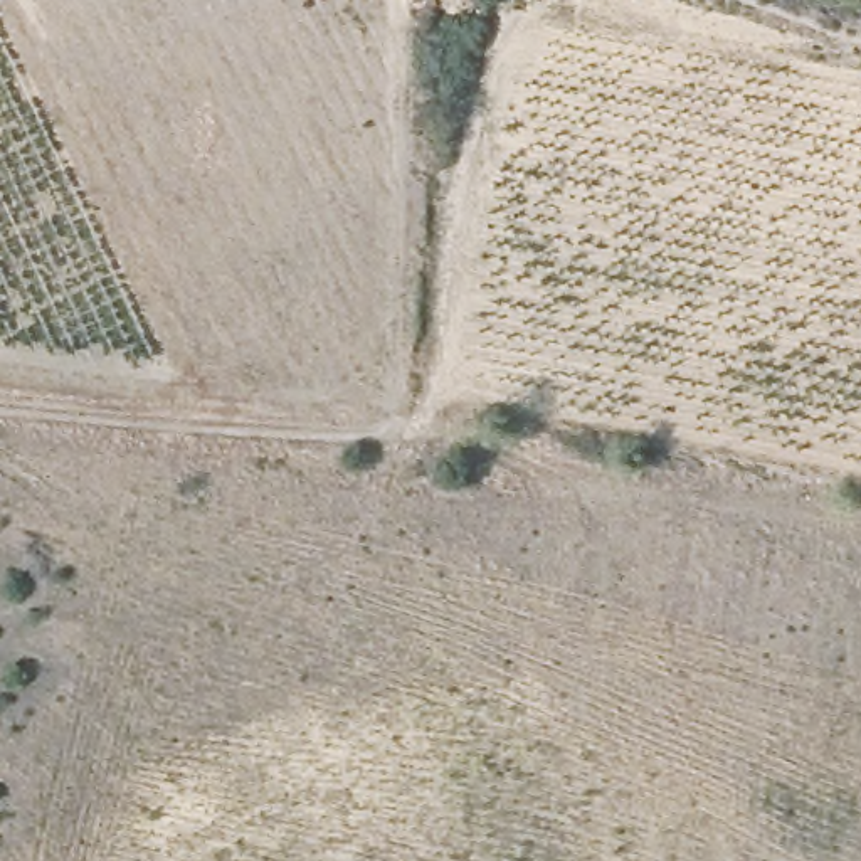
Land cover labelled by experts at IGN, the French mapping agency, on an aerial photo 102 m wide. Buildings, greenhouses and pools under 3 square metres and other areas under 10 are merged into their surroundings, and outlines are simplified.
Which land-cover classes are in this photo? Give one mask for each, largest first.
<instances>
[{"label":"plowed land","instance_id":"1","mask_svg":"<svg viewBox=\"0 0 861 861\"><path fill-rule=\"evenodd\" d=\"M0 20L7 24L10 44L24 57V74L17 77V87L24 98H40L47 104L54 131L61 138V151L54 155V161L57 168H74L87 198L98 202V219L108 232L111 249L118 252V266L135 286L141 309L151 323V333L161 343V353L148 360H124L121 350L108 353L101 346L61 353L37 343H0V861H861V481L844 478L841 471L824 464L737 454L733 447H693L659 431L639 434L555 417L545 420L535 410H525L521 404L478 407L474 400H451L434 414L427 437H404L407 420L420 407V397L410 394V346L417 330V249L424 242V182L441 178V172L451 168L444 158L434 155L427 138L410 131L417 108L427 101V91L414 77V20L404 0H0ZM447 451H454L464 461V481L471 488H441L434 481L437 461L447 457Z\"/></svg>","mask_w":861,"mask_h":861},{"label":"vineyard","instance_id":"2","mask_svg":"<svg viewBox=\"0 0 861 861\"><path fill-rule=\"evenodd\" d=\"M417 330L410 346V394L420 397V407L407 420L404 437H427L434 414L451 400H474L478 407L521 404L525 410H535L545 420L555 417L639 434L659 431L693 447H733L737 454L824 464L841 471L844 478L861 481V17L844 20L841 30H831L817 20V10L807 0H504L498 7V37L488 50L484 101L474 108L467 138L461 145V158L451 168L441 172V178L424 182V242L417 249ZM24 74V57L10 44L7 24L0 20V343H37L61 353L101 346L108 353L121 350L124 360H148L161 353V343L151 333V323L141 309L135 286L118 266V252L111 249L108 232L98 219V202L87 198L74 168H57L54 161V155L61 151V138L54 131L47 104L40 98H24L17 87V77Z\"/></svg>","mask_w":861,"mask_h":861},{"label":"deciduous trees","instance_id":"3","mask_svg":"<svg viewBox=\"0 0 861 861\"><path fill-rule=\"evenodd\" d=\"M414 20V77L427 91V101L417 108L410 131L427 138L434 155L444 158L451 168L461 158V145L467 138L474 108L484 101L488 50L498 37V7L504 0H404ZM434 481L441 488H471L464 481V461L454 451H447V457L437 461Z\"/></svg>","mask_w":861,"mask_h":861},{"label":"herbaceous vegetation","instance_id":"4","mask_svg":"<svg viewBox=\"0 0 861 861\"><path fill-rule=\"evenodd\" d=\"M817 10V20L831 30H841L844 20L861 17V0H807Z\"/></svg>","mask_w":861,"mask_h":861}]
</instances>
